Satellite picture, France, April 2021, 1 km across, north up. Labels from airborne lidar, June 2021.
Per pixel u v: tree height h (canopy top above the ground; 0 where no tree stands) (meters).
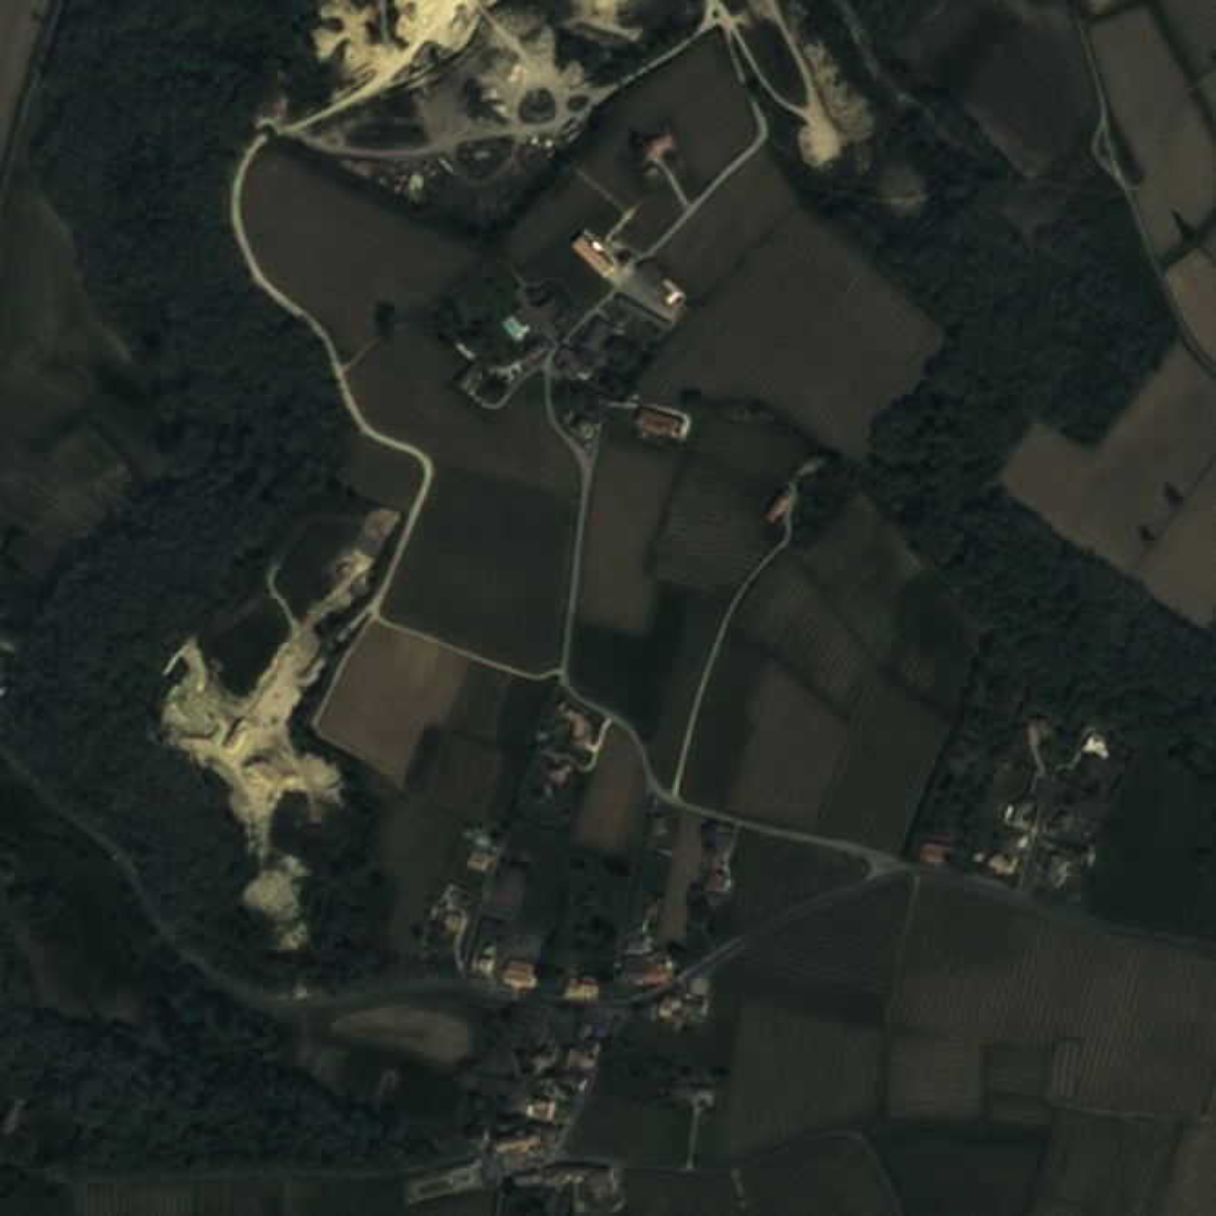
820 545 0
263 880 0
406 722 0
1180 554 0
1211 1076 0
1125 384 14
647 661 0
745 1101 0
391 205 0
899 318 0
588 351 9
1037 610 23
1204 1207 0
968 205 19
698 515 0
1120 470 0
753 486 0
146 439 0
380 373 0
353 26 0
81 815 21
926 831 7
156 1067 7
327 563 0
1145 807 0
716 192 0
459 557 0
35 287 0
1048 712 13
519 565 0
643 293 0
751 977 0
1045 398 22
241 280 19
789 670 0
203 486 20
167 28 15
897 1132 0
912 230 8
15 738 22
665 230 0
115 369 0
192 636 15
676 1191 0
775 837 0
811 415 0
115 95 18
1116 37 0
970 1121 0
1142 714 20
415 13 0
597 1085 0
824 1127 0
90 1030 8
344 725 0
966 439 24
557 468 0
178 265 20
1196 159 0
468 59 0
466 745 0
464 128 0
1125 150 0
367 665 0
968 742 7
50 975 0
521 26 0
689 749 0
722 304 0
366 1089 0
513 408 0
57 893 15
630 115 0
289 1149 12
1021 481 0
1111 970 0
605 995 7
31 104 0
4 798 0
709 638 0
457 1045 0
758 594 0
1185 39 0
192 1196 0
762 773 0
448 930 6
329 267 0
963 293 23
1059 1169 0
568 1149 0
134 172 18
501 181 0
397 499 0
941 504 18
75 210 20
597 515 0
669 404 0
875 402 0
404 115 0
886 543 0
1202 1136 0
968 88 0
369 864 12
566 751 7
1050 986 0
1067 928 0
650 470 0
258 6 21
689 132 0
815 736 0
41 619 19
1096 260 14
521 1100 0
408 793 0
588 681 0
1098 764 16
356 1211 0
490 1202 0
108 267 21
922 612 0
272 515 23
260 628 0
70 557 0
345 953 18
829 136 0
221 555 22
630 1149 0
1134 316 19
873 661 0
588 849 0
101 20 21
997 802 0
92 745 16
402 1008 0
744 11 0
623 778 0
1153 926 0
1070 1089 0
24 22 0
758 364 0
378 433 0
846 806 0
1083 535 0
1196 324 0
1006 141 0
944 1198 0
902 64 17
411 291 0
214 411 12
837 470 9
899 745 0
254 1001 0
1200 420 0
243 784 0
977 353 23
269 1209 0
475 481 0
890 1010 0
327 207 0
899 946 0
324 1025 0
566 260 0
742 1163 0
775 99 10
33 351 0
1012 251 15
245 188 0
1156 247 0
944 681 0
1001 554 25
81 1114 18
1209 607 0
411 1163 7
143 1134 9
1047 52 0
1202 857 8
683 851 0
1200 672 27
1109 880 0
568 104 0
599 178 0
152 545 19
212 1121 11
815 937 0
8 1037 21
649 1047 0
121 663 18
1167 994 0
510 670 0
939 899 0
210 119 23
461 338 13
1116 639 20
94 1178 19
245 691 0
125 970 0
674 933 0
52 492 0
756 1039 0
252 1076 10
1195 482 0
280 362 23
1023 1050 0
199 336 22
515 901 0
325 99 10
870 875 0
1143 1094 0
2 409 0
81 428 0
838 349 0
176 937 17
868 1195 0
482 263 0
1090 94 0
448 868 0
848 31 7
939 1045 0
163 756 18
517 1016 18
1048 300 12
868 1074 0
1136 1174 0
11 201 0
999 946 0
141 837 12
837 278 0
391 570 0
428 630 0
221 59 19
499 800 0
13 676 20
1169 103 0
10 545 7
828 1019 0
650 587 0
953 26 0
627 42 0
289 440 24
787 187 0
